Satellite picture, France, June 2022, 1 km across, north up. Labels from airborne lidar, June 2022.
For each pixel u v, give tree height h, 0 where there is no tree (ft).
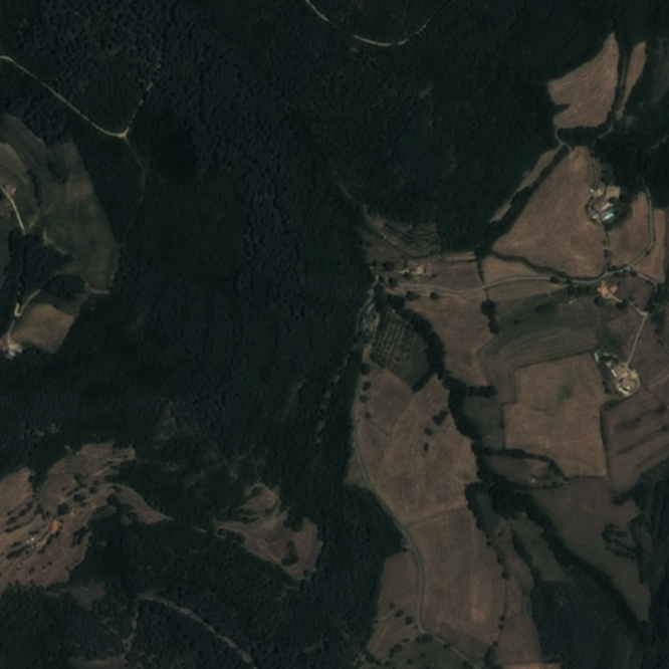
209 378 81
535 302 0
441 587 0
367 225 39
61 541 0
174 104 104
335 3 57
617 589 27
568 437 0
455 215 43
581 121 0
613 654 33
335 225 55
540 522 54
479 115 27
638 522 33
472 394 47
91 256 0
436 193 55
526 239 0
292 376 62
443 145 27
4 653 42
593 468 0
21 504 0
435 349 72
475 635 0
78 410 52
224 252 43
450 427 0
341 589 58
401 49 38
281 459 55
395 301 40
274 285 94
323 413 53
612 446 0
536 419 0
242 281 100
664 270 0
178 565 32
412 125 61
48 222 0
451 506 0
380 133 38
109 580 47
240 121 123
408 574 0
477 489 32
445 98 27
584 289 34
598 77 0
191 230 43
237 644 74
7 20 30
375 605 59
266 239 100
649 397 0
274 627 31
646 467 0
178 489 29
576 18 49
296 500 37
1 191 30
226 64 100
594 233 0
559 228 0
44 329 0
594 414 0
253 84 98
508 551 0
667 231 0
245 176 45
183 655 42
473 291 0
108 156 41
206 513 41
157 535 38
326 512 63
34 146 0
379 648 0
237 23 57
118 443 31
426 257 21
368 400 33
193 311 84
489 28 42
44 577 0
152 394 51
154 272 76
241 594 34
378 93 26
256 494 30
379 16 26
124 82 31
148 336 29
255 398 69
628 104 26
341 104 32
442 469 0
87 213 0
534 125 35
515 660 0
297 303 79
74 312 0
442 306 0
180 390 28
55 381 51
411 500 0
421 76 27
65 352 32
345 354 51
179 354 53
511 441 0
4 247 0
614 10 42
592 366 0
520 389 0
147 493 31
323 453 42
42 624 49
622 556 37
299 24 45
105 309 28
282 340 60
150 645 60
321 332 81
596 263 0
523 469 0
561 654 36
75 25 90
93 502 0
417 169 66
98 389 41
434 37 64
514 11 53
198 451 32
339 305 39
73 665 23
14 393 47
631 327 0
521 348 0
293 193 104
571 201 0
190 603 99
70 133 44
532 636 0
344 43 25
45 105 77
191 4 82
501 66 47
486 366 0
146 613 89
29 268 51
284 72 41
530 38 50
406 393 0
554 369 0
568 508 0
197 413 62
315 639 43
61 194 0
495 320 32
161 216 44
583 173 0
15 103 95
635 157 42
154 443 25
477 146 39
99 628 43
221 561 41
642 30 70
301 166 77
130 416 49
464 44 55
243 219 40
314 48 53
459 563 0
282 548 0
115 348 20
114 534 55
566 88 0
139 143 18
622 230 0
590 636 39
